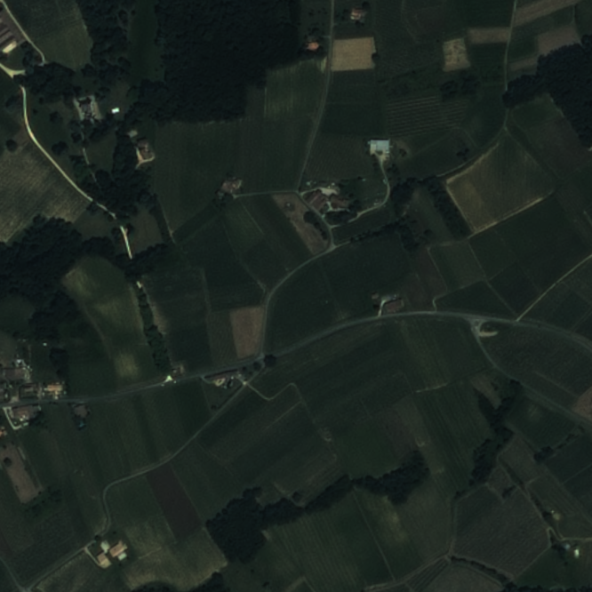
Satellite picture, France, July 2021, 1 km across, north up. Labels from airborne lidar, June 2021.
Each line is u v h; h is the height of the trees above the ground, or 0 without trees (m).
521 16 0
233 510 17
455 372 0
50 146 0
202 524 0
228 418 0
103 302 0
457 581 0
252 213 0
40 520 0
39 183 0
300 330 0
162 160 0
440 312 0
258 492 13
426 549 0
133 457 0
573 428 0
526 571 0
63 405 0
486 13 0
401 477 23
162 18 19
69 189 0
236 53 20
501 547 0
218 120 14
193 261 0
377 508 0
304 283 0
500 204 0
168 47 14
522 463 0
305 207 0
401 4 0
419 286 0
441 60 0
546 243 0
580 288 0
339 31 0
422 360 0
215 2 20
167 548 0
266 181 0
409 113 0
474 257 0
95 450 0
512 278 0
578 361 0
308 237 0
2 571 0
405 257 0
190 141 0
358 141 0
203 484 0
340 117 0
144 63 0
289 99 0
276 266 0
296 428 0
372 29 0
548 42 0
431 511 0
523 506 0
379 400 0
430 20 0
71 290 0
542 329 0
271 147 0
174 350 0
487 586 0
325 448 0
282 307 0
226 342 0
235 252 0
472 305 0
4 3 0
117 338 0
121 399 0
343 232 0
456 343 0
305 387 0
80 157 9
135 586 0
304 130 0
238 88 16
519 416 0
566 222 0
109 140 0
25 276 20
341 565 0
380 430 0
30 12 0
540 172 0
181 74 18
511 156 0
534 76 7
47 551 0
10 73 0
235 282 0
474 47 0
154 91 29
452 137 0
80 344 0
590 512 0
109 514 0
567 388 0
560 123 0
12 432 0
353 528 0
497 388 6
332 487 8
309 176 0
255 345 0
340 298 0
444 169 0
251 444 0
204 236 0
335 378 0
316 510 11
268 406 0
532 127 0
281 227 0
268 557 0
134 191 13
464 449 0
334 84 0
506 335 0
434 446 0
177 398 0
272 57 15
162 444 0
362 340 0
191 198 0
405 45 0
